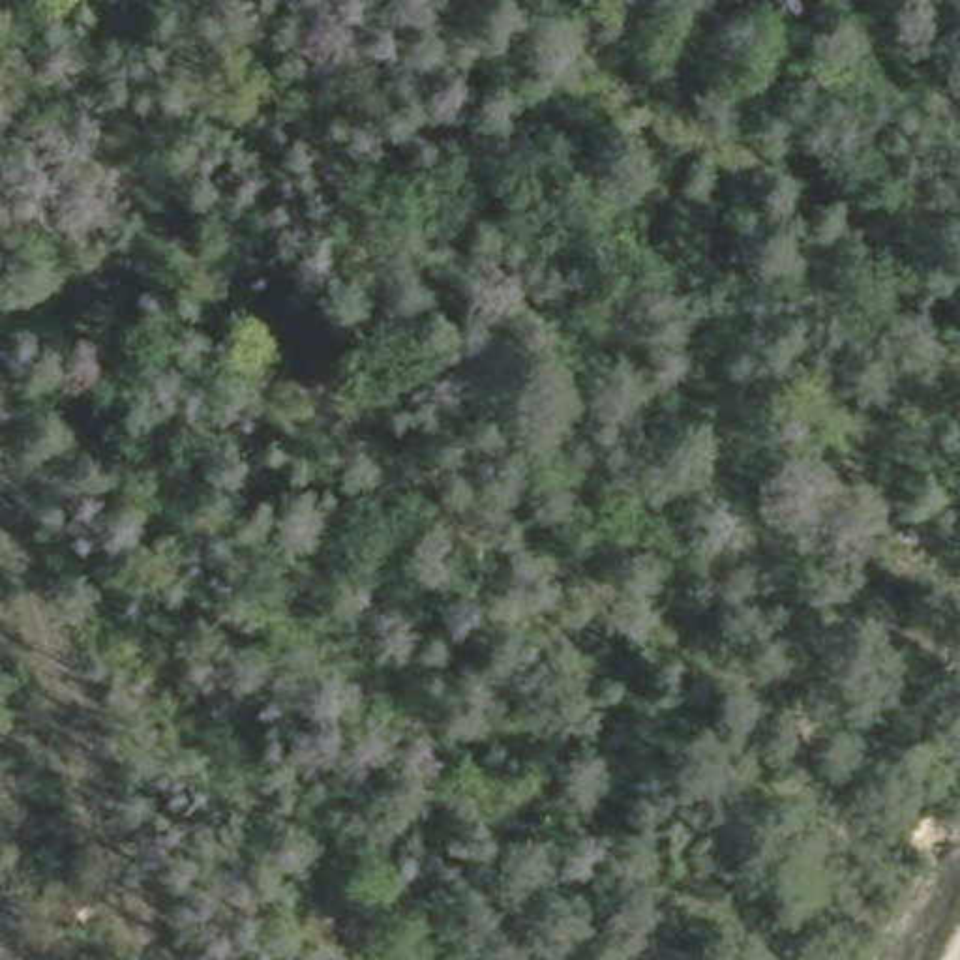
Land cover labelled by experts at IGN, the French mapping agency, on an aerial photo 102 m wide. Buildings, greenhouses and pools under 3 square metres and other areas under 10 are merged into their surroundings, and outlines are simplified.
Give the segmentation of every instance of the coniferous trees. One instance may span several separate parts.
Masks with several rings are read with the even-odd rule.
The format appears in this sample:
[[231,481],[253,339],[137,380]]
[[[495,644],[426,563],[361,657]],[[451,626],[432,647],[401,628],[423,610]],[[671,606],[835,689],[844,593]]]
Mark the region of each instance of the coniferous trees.
[[[435,960],[424,919],[409,919],[401,934],[375,945],[368,930],[353,919],[353,911],[334,904],[334,896],[341,896],[353,878],[383,863],[394,866],[401,893],[416,881],[416,874],[424,874],[450,881],[454,893],[469,900],[469,945],[458,945],[446,960],[863,960],[866,941],[893,919],[896,904],[904,900],[919,870],[923,855],[911,844],[915,825],[926,818],[949,821],[960,814],[960,255],[945,240],[945,229],[953,225],[949,210],[915,210],[908,199],[900,199],[900,206],[893,210],[870,210],[866,203],[878,195],[874,180],[833,180],[810,150],[788,154],[788,128],[780,120],[769,131],[739,131],[735,105],[716,94],[728,75],[716,68],[716,53],[735,45],[750,56],[765,26],[784,23],[784,41],[795,60],[848,64],[851,56],[874,49],[878,68],[893,86],[911,83],[938,90],[941,101],[960,116],[960,0],[686,0],[701,15],[694,19],[694,30],[675,60],[675,75],[656,79],[645,64],[649,45],[679,8],[679,0],[623,0],[623,26],[596,23],[585,30],[578,19],[555,23],[540,11],[521,15],[514,0],[0,0],[0,600],[38,593],[56,619],[68,619],[64,683],[75,683],[86,694],[83,705],[71,705],[34,679],[8,694],[11,728],[0,735],[0,758],[8,761],[8,769],[11,769],[11,776],[15,776],[15,795],[11,795],[11,799],[15,799],[15,803],[23,806],[23,821],[15,821],[15,818],[4,818],[4,814],[0,814],[0,960]],[[630,360],[619,360],[615,390],[596,398],[596,413],[581,413],[574,375],[555,345],[559,330],[551,319],[525,308],[518,278],[510,278],[503,289],[488,285],[476,300],[469,300],[469,289],[461,281],[450,281],[435,270],[450,259],[473,263],[480,229],[506,218],[506,199],[499,195],[499,184],[506,180],[506,161],[521,150],[551,146],[555,135],[570,143],[578,173],[589,176],[593,188],[604,195],[608,214],[630,214],[638,240],[645,240],[675,274],[671,285],[649,289],[645,300],[626,296],[623,308],[611,315],[611,326],[626,341],[645,345],[656,368],[634,371]],[[473,184],[476,206],[454,236],[439,233],[428,240],[413,240],[394,255],[368,255],[360,248],[368,236],[368,214],[345,203],[341,195],[341,188],[356,176],[356,154],[379,158],[379,173],[405,180],[428,169],[443,169],[450,158],[465,158],[465,180]],[[113,488],[113,476],[105,469],[120,458],[131,409],[124,401],[98,405],[90,386],[98,371],[105,379],[124,371],[124,364],[131,360],[124,349],[124,334],[135,323],[143,323],[146,311],[173,308],[180,300],[180,293],[161,281],[161,270],[169,266],[169,255],[176,248],[184,248],[188,255],[203,248],[199,229],[206,221],[221,221],[229,248],[221,259],[210,263],[210,278],[225,289],[225,296],[203,304],[203,338],[229,341],[244,319],[266,323],[278,345],[266,371],[274,379],[308,386],[319,413],[341,409],[338,390],[345,383],[345,360],[356,349],[371,349],[379,326],[409,334],[431,356],[443,353],[446,360],[446,368],[431,383],[420,383],[394,405],[371,409],[349,424],[356,439],[368,443],[368,458],[353,461],[345,491],[375,488],[386,510],[398,506],[405,495],[420,495],[435,506],[435,518],[443,521],[424,540],[413,533],[398,540],[375,570],[368,608],[330,634],[330,645],[345,645],[353,656],[349,683],[338,679],[323,686],[323,679],[311,668],[293,664],[289,656],[278,668],[259,664],[259,649],[270,641],[270,634],[236,626],[240,619],[233,615],[233,608],[214,615],[210,626],[199,623],[199,634],[191,641],[176,641],[173,626],[158,619],[120,626],[101,623],[98,615],[98,596],[90,585],[101,578],[109,578],[109,585],[124,596],[165,596],[176,608],[184,604],[188,585],[199,578],[195,551],[180,555],[176,540],[169,536],[146,548],[139,540],[139,518],[120,514],[116,521],[101,510],[101,491]],[[848,251],[863,240],[870,259],[896,259],[911,274],[930,274],[926,293],[896,296],[896,311],[904,319],[893,330],[915,341],[915,349],[904,360],[911,375],[904,379],[893,375],[889,341],[881,341],[881,360],[866,368],[851,345],[829,338],[836,308],[855,296],[855,285],[848,281]],[[799,443],[806,439],[806,428],[773,409],[773,398],[788,394],[806,371],[825,379],[833,405],[844,413],[844,443],[818,446],[814,454]],[[559,450],[570,461],[581,446],[593,461],[574,491],[581,506],[600,506],[615,495],[638,499],[641,514],[664,518],[679,540],[698,540],[698,551],[713,559],[713,570],[675,570],[668,578],[656,559],[630,559],[630,551],[619,544],[596,544],[589,559],[581,559],[555,521],[544,525],[536,518],[533,495],[521,491],[525,469],[540,473],[540,465],[551,461]]]
[[248,518],[240,533],[244,544],[255,544],[266,536],[274,514],[289,518],[281,533],[285,551],[315,551],[323,521],[334,510],[334,499],[311,495],[293,503],[293,473],[281,469],[285,450],[278,450],[281,428],[274,420],[259,420],[255,405],[244,405],[236,394],[221,394],[218,424],[210,428],[206,450],[221,465],[221,473],[210,484],[210,503],[199,510],[199,529],[221,529],[225,518],[236,510]]

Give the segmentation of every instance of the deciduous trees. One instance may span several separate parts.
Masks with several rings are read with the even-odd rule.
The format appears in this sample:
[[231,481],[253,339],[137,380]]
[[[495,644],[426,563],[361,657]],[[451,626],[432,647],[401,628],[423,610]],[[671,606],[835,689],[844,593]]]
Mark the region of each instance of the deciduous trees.
[[619,360],[630,360],[634,371],[656,368],[645,345],[626,341],[611,326],[611,315],[623,308],[626,296],[645,300],[649,289],[671,285],[675,274],[645,240],[638,240],[630,214],[608,214],[604,195],[593,188],[589,176],[578,173],[570,143],[555,135],[551,146],[521,150],[506,161],[506,180],[499,184],[499,195],[506,199],[506,218],[480,229],[473,263],[450,259],[435,270],[450,281],[461,281],[469,289],[469,300],[476,300],[488,285],[503,289],[510,278],[518,278],[525,308],[551,319],[559,330],[555,345],[574,375],[581,413],[596,413],[596,398],[615,390]]
[[596,23],[623,26],[623,0],[514,0],[521,15],[540,11],[555,23],[578,19],[585,30]]
[[424,874],[416,874],[416,881],[401,893],[394,866],[383,863],[353,878],[341,896],[334,896],[334,904],[353,911],[353,919],[368,930],[375,945],[401,934],[409,919],[424,919],[435,960],[446,960],[458,945],[469,945],[469,900],[454,893],[450,881]]
[[[98,615],[101,623],[120,626],[158,619],[173,626],[176,641],[191,641],[199,634],[199,623],[210,626],[214,615],[233,608],[233,615],[240,619],[236,626],[270,634],[270,641],[259,649],[259,664],[278,668],[289,656],[293,664],[311,668],[323,679],[323,686],[338,679],[349,683],[353,656],[345,645],[330,645],[330,634],[368,608],[375,570],[398,540],[413,533],[424,540],[443,521],[435,518],[435,506],[420,495],[405,495],[398,506],[386,510],[375,488],[345,491],[353,461],[368,458],[368,443],[356,439],[349,424],[371,409],[394,405],[420,383],[431,383],[446,368],[446,360],[443,353],[431,356],[409,334],[379,326],[371,349],[356,349],[345,360],[345,383],[338,390],[341,409],[319,413],[308,386],[274,379],[266,371],[278,345],[266,323],[244,319],[229,341],[203,338],[203,304],[225,296],[225,289],[210,278],[210,263],[221,259],[229,248],[221,221],[206,221],[199,229],[203,248],[188,255],[184,248],[176,248],[169,255],[169,266],[161,270],[161,281],[180,293],[180,300],[173,308],[146,311],[143,323],[135,323],[124,334],[124,349],[131,360],[124,364],[124,371],[105,379],[98,371],[90,386],[98,405],[124,401],[131,409],[120,458],[105,469],[113,476],[113,488],[101,491],[101,510],[116,521],[120,514],[139,518],[139,540],[146,548],[169,536],[176,540],[180,555],[195,551],[199,578],[188,585],[184,604],[176,608],[165,596],[124,596],[109,585],[109,578],[101,578],[90,585],[98,596]],[[293,473],[293,503],[311,495],[334,499],[334,510],[323,521],[315,551],[285,551],[281,533],[289,518],[274,514],[266,536],[255,544],[244,544],[240,533],[248,518],[236,510],[225,518],[221,529],[199,529],[199,510],[210,503],[210,484],[221,473],[221,465],[206,450],[210,428],[218,424],[221,394],[236,394],[244,405],[255,405],[259,420],[274,420],[281,428],[278,450],[285,450],[281,469]]]
[[825,379],[806,371],[788,394],[773,398],[773,409],[806,428],[806,439],[799,443],[814,454],[818,446],[844,443],[844,413],[833,405]]
[[870,259],[863,240],[848,251],[848,281],[855,285],[855,296],[836,308],[829,338],[851,345],[866,368],[881,360],[881,341],[889,341],[893,375],[904,379],[911,375],[904,360],[915,349],[915,341],[893,330],[904,319],[896,311],[896,296],[926,293],[930,274],[911,274],[896,259]]
[[368,236],[360,248],[368,255],[394,255],[413,240],[428,240],[439,233],[454,236],[476,206],[473,184],[465,180],[465,158],[450,158],[443,169],[428,169],[405,180],[379,173],[379,158],[356,154],[356,176],[341,188],[341,195],[345,203],[368,214]]
[[8,769],[8,761],[0,758],[0,814],[4,814],[4,818],[15,818],[15,821],[23,821],[23,806],[15,803],[15,799],[11,799],[11,795],[15,795],[15,776],[11,776],[11,769]]
[[0,600],[0,735],[11,728],[8,694],[34,679],[71,705],[83,705],[86,694],[75,683],[64,683],[68,619],[56,619],[38,593]]
[[784,23],[765,26],[750,56],[735,45],[716,53],[716,68],[728,75],[716,94],[735,105],[739,131],[769,131],[780,120],[788,128],[788,154],[810,150],[833,180],[874,180],[878,195],[866,203],[870,210],[893,210],[900,206],[900,199],[908,199],[915,210],[949,210],[953,225],[945,229],[945,240],[960,255],[960,116],[941,101],[938,90],[911,83],[893,86],[878,68],[874,49],[851,56],[848,64],[795,60],[784,41]]
[[656,79],[675,75],[675,60],[694,30],[694,19],[701,15],[686,0],[679,0],[679,8],[649,45],[645,64]]
[[574,491],[593,461],[581,446],[570,461],[559,450],[551,461],[540,465],[540,473],[525,469],[521,491],[533,495],[536,518],[544,525],[555,521],[581,559],[589,559],[596,544],[619,544],[630,551],[630,559],[656,559],[668,578],[675,570],[713,570],[713,559],[698,551],[698,540],[679,540],[664,518],[641,514],[638,499],[615,495],[600,506],[581,506]]

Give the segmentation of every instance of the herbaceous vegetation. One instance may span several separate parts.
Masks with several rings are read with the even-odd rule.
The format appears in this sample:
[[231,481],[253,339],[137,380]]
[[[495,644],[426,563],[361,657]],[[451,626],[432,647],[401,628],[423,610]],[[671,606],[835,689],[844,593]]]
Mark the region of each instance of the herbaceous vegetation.
[[915,825],[911,844],[923,855],[919,870],[904,900],[896,904],[893,919],[866,941],[863,960],[960,960],[960,814],[949,821],[926,818]]

